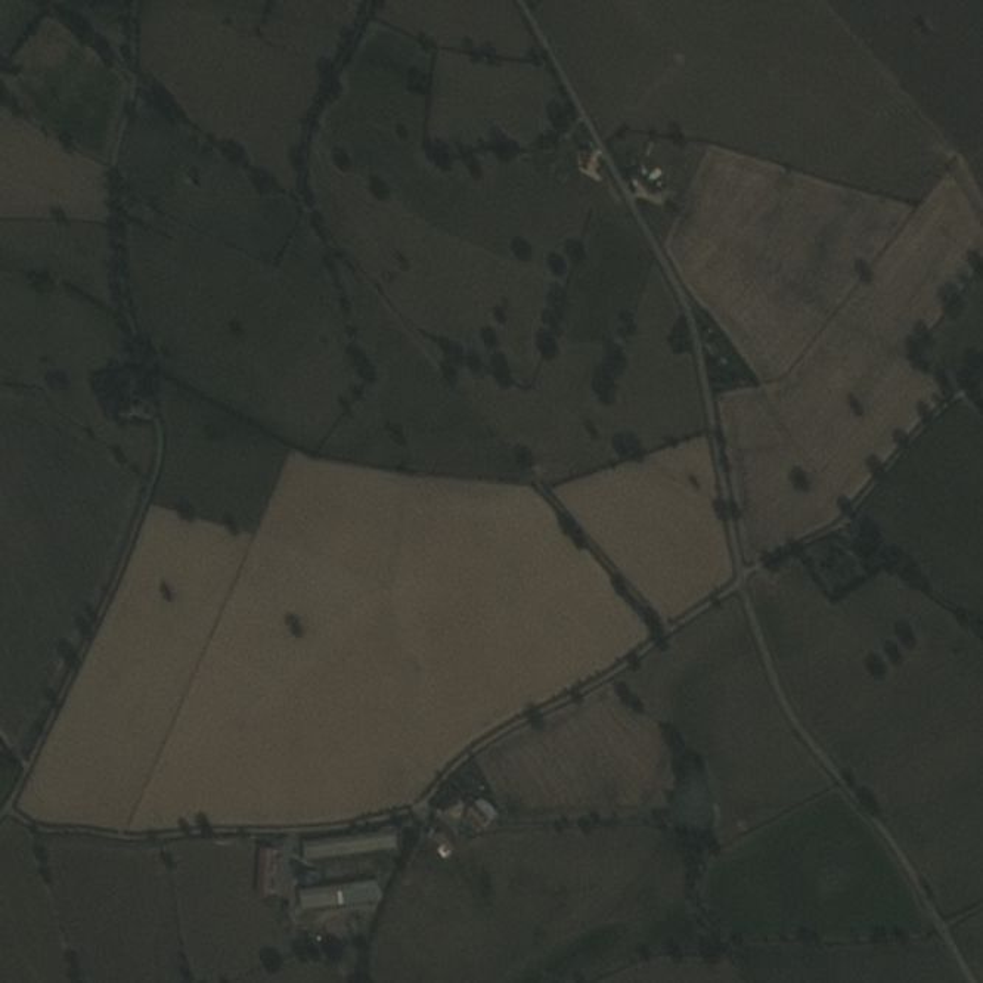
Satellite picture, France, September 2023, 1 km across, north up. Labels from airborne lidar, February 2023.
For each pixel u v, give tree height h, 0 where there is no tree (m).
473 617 0
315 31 0
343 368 0
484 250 0
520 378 0
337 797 0
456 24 0
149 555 0
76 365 0
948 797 0
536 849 0
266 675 0
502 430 0
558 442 0
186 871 0
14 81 0
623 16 0
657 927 0
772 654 0
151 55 0
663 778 0
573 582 0
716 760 0
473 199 0
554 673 0
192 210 0
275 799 0
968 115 0
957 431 0
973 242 0
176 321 0
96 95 0
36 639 0
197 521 0
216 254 0
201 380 0
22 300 0
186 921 0
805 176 0
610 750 0
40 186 0
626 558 0
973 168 0
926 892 15
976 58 0
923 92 0
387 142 0
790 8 0
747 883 0
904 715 0
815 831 0
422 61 0
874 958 0
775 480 0
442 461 0
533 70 0
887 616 0
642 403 0
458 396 0
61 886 0
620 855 0
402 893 0
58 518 0
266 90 0
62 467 0
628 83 0
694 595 0
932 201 0
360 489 0
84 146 0
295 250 0
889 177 0
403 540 0
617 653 0
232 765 0
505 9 0
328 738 0
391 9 0
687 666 0
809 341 0
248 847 0
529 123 0
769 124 0
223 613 0
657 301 0
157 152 0
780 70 0
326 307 0
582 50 0
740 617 0
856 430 0
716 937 12
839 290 0
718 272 0
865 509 0
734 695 0
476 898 0
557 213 0
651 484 0
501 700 0
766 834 0
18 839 0
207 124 0
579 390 0
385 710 0
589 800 0
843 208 0
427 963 0
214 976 0
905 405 0
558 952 0
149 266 0
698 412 0
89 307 0
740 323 0
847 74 0
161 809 0
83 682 0
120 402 8
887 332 0
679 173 0
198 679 0
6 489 0
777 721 0
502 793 0
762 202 0
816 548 0
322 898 0
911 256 0
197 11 0
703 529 0
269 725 0
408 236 0
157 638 0
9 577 0
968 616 15
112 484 0
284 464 0
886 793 0
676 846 0
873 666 13
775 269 0
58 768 0
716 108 0
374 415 0
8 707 0
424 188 0
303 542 0
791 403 0
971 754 0
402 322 0
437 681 0
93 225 0
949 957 0
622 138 5
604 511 0
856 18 0
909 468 0
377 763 0
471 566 0
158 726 0
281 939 0
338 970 0
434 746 0
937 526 0
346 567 0
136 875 0
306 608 0
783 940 9
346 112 0
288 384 0
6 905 0
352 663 0
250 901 0
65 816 0
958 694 0
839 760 0
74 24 14
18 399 0
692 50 0
